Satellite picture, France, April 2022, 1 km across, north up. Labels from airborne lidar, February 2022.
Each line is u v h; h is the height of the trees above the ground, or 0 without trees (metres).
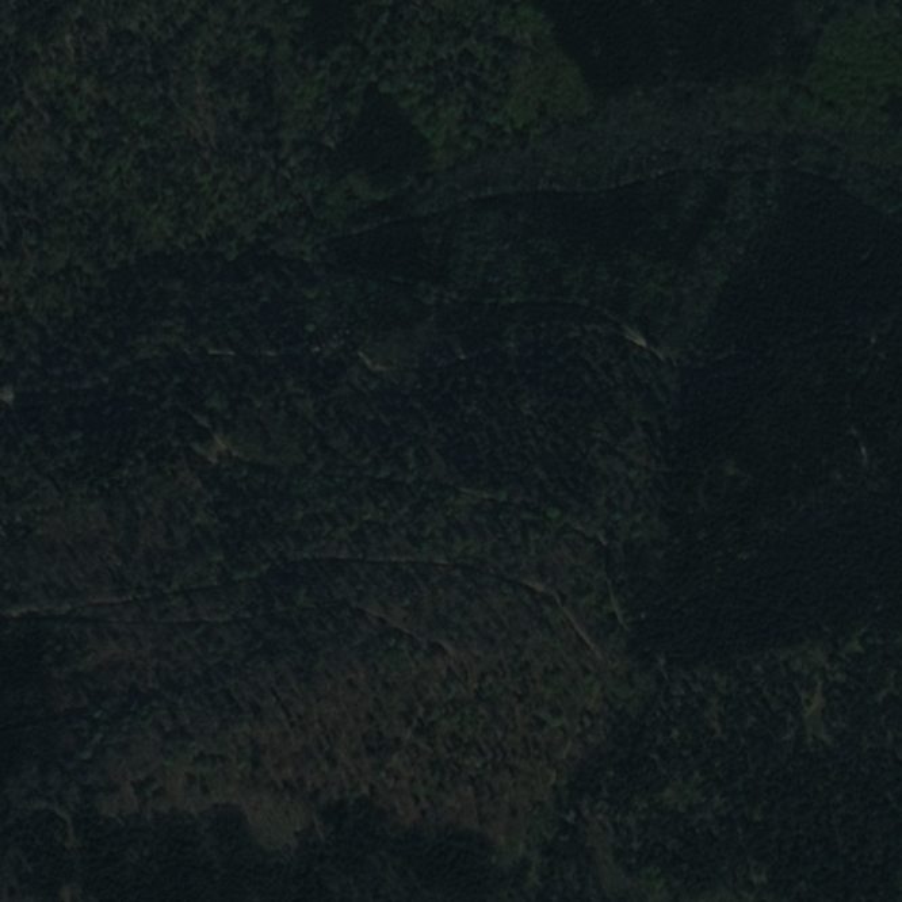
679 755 13
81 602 31
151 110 25
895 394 26
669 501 24
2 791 16
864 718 30
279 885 26
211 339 27
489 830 19
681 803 20
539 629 24
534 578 13
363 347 16
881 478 19
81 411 17
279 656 20
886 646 26
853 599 26
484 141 12
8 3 25
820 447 25
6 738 12
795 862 31
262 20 30
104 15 18
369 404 9
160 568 23
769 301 23
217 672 7
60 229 22
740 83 16
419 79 19
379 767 14
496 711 29
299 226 29
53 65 23
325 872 25
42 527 13
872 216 22
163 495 7
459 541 21
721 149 21
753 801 34
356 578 9
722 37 17
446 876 30
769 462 23
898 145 28
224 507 35
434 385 29
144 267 12
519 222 16
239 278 13
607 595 21
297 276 34
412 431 32
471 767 33
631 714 16
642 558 24
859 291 14
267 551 30
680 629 22
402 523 6
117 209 24
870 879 30
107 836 23
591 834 18
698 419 25
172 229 24
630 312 18
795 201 19
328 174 20
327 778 30
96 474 27
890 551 25
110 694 7
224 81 29
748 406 26
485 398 30
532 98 13
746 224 17
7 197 31
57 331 25
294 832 23
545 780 13
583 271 17
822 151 15
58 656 8
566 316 16
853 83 19
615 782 10
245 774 16
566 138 26
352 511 7
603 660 20
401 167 28
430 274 18
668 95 25
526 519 12
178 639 31
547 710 23
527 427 31
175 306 37
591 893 23
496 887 31
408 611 30
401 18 19
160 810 19
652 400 9
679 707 12
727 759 31
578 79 9
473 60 21
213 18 28
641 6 25
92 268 29
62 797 11
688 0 25
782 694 21
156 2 21
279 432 15
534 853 17
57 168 27
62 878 17
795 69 18
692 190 17
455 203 15
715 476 21
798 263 19
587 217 15
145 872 27
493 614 30
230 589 9
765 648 25
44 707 11
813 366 22
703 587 24
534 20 18
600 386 32
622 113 20
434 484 12
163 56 22
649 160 20
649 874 22
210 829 31
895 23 25
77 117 29
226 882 24
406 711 15
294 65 12
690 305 22
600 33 24
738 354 12
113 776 12
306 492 11
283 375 11
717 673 12
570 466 35
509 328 14
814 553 25
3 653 11
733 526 22
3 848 17
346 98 12
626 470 18
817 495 28
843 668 29
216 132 22
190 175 25
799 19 16
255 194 18
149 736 19
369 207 18
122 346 6
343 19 16
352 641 24
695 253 15
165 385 28
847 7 20
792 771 32
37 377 18
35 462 9
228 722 23
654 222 17
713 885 21
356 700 9
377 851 25
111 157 25
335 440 7
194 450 18
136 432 24
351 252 16
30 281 30
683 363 15
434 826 16
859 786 38
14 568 9
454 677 21
